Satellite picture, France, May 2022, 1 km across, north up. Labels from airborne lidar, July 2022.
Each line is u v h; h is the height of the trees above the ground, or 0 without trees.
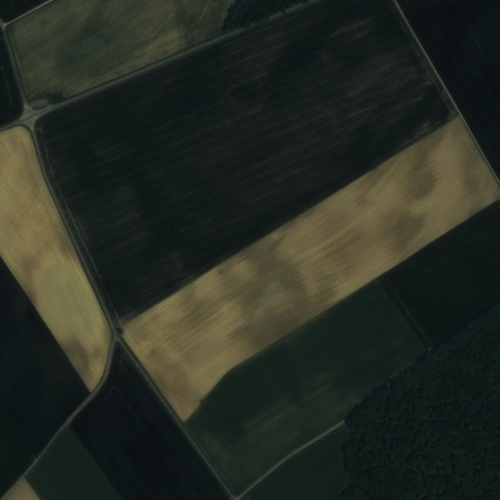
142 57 0
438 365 25
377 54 0
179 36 0
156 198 0
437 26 0
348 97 0
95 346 0
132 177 0
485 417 32
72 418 0
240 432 0
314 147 0
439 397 28
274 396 0
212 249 0
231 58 0
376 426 21
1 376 0
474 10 0
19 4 0
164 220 0
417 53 0
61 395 0
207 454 0
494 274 0
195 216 0
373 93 0
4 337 0
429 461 24
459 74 0
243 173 0
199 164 0
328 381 0
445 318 0
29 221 0
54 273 0
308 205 0
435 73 0
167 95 0
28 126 0
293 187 0
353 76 0
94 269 0
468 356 24
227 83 0
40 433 0
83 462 0
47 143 0
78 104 0
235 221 0
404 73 0
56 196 0
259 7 26
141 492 0
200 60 0
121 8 0
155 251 0
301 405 0
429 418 23
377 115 0
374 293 0
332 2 0
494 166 0
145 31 0
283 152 0
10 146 0
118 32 0
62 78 0
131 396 0
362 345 0
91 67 0
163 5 0
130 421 0
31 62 0
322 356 0
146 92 0
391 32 0
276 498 0
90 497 0
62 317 0
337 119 0
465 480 23
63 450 0
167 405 0
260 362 0
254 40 0
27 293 0
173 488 0
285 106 0
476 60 0
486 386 25
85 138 0
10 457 0
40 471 0
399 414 25
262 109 0
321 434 0
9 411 0
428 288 0
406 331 0
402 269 0
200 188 0
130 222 0
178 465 0
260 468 0
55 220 0
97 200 0
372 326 0
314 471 0
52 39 0
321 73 0
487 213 0
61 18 0
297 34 0
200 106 0
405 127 0
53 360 0
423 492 20
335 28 0
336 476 0
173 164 0
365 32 0
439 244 0
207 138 0
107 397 0
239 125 0
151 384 0
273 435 0
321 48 0
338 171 0
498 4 0
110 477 0
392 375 0
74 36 0
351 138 0
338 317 0
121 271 0
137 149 0
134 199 0
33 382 0
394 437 19
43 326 0
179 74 0
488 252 0
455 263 0
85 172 0
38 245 0
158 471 0
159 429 0
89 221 0
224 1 0
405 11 0
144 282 0
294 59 0
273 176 0
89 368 0
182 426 0
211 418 0
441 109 0
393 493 24
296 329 0
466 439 22
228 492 0
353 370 0
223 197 0
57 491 0
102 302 0
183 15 0
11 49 0
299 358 0
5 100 0
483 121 0
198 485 0
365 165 0
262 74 0
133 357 0
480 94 0
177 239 0
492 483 26
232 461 0
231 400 0
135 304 0
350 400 0
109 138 0
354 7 0
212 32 0
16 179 0
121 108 0
